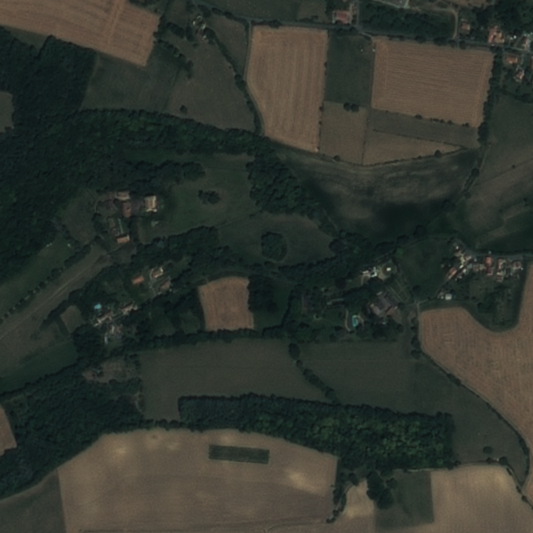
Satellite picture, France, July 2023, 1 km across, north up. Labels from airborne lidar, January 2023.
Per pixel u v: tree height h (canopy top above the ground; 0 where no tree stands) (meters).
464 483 0
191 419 17
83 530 0
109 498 0
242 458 0
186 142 23
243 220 0
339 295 11
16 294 0
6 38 19
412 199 0
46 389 8
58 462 10
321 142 0
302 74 0
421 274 0
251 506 0
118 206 13
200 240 19
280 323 0
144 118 19
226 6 0
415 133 0
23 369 0
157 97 0
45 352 0
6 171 16
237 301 0
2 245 19
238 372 0
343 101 0
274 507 0
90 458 0
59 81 23
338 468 0
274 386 0
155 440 0
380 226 0
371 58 0
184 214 0
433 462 13
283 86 0
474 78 0
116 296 8
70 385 9
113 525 0
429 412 0
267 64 0
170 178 23
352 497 0
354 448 13
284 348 0
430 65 0
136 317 23
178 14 0
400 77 0
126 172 22
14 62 22
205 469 0
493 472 0
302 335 26
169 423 15
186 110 14
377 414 18
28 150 16
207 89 0
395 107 0
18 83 16
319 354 0
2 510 0
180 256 19
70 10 0
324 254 0
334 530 0
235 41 0
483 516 0
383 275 0
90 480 0
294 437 11
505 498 0
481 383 0
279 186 20
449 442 15
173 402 0
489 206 0
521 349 0
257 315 0
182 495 0
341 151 0
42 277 0
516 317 0
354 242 20
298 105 0
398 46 0
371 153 0
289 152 0
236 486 0
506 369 0
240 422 15
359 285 0
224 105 0
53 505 0
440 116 0
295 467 0
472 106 0
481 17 16
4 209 15
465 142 0
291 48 0
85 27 0
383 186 0
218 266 28
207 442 0
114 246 0
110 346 0
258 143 15
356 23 9
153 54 0
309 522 0
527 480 0
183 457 0
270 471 0
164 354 0
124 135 21
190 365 0
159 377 0
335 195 0
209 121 0
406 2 0
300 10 0
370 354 0
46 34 0
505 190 0
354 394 0
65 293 0
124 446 0
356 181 0
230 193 0
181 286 21
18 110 9
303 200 10
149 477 0
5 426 0
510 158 0
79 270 0
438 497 0
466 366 0
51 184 17
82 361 19
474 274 9
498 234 0
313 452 0
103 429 10
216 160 0
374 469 13
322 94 0
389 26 15
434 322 0
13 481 14
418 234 18
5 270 12
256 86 0
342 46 0
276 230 0
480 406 0
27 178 17
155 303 14
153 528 0
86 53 14
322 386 12
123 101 0
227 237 0
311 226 0
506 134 0
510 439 0
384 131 0
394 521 0
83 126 22
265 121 0
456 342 0
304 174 0
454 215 0
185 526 0
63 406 18
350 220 0
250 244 0
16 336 0
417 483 0
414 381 0
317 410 21
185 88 0
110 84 0
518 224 0
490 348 0
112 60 0
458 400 0
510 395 0
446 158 0
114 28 0
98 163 26
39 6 0
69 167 19
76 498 0
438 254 0
